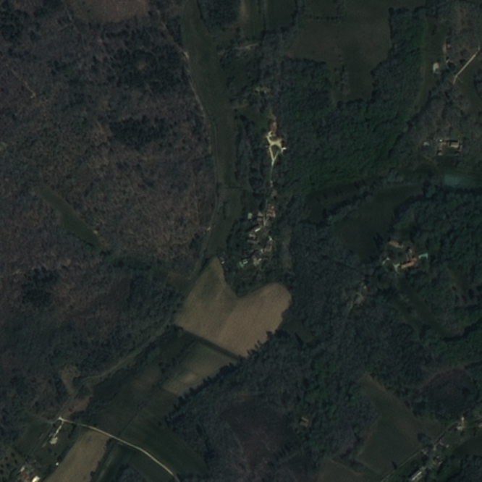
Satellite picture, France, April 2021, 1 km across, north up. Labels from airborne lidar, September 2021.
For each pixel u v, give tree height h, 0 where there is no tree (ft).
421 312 0
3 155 52
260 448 0
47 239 60
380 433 0
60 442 0
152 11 27
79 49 31
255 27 0
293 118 80
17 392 46
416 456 0
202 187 42
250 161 36
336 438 60
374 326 73
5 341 22
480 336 91
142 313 73
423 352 86
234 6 56
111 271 52
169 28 60
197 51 0
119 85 22
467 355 65
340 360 75
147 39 64
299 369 78
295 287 75
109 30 39
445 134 42
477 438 22
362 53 0
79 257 56
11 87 31
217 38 46
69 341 49
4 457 56
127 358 52
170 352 0
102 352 52
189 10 0
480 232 85
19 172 56
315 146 71
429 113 58
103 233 64
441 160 25
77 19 30
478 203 67
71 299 38
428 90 0
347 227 0
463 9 51
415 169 59
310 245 92
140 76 59
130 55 61
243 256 29
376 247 0
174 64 67
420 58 89
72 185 31
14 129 35
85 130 32
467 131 62
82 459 0
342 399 82
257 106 52
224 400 33
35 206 52
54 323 73
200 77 0
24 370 28
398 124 69
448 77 55
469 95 0
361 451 46
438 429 0
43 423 0
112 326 40
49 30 30
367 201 57
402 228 61
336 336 68
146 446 0
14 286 46
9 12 59
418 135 73
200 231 28
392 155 73
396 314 67
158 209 59
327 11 0
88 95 41
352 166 75
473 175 0
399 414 0
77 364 69
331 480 0
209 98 0
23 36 52
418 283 74
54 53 26
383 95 67
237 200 0
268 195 26
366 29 0
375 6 0
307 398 76
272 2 0
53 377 43
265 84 52
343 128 88
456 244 65
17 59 60
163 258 39
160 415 0
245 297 0
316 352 77
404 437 0
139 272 51
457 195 46
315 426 48
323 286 96
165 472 0
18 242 32
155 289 70
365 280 30
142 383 0
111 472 0
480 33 47
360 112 82
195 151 35
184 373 0
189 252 40
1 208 18
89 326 32
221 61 20
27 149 29
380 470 0
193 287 0
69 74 55
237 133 29
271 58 61
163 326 49
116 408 0
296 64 62
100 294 61
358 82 0
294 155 63
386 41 0
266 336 0
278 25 0
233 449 62
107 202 54
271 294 0
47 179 36
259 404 30
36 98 24
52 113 40
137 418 0
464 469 60
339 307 33
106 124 54
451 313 73
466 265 66
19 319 28
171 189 35
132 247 60
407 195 0
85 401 0
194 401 69
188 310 0
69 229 0
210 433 70
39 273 49
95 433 0
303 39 0
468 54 49
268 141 0
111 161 49
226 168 0
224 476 65
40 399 39
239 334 0
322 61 0
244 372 54
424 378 93
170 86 44
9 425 73
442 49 0
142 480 56
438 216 84
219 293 0
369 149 83
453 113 61
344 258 72
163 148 53
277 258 22
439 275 75
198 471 0
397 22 86
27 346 61
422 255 0
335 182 74
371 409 52
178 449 0
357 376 75
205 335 0
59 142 50
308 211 48
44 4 37
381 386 57
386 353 76
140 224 34
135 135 57
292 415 31
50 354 80
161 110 28
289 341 85
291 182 44
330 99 60
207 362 0
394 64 75
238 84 0
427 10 28
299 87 65
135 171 50
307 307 70
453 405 23
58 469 0
